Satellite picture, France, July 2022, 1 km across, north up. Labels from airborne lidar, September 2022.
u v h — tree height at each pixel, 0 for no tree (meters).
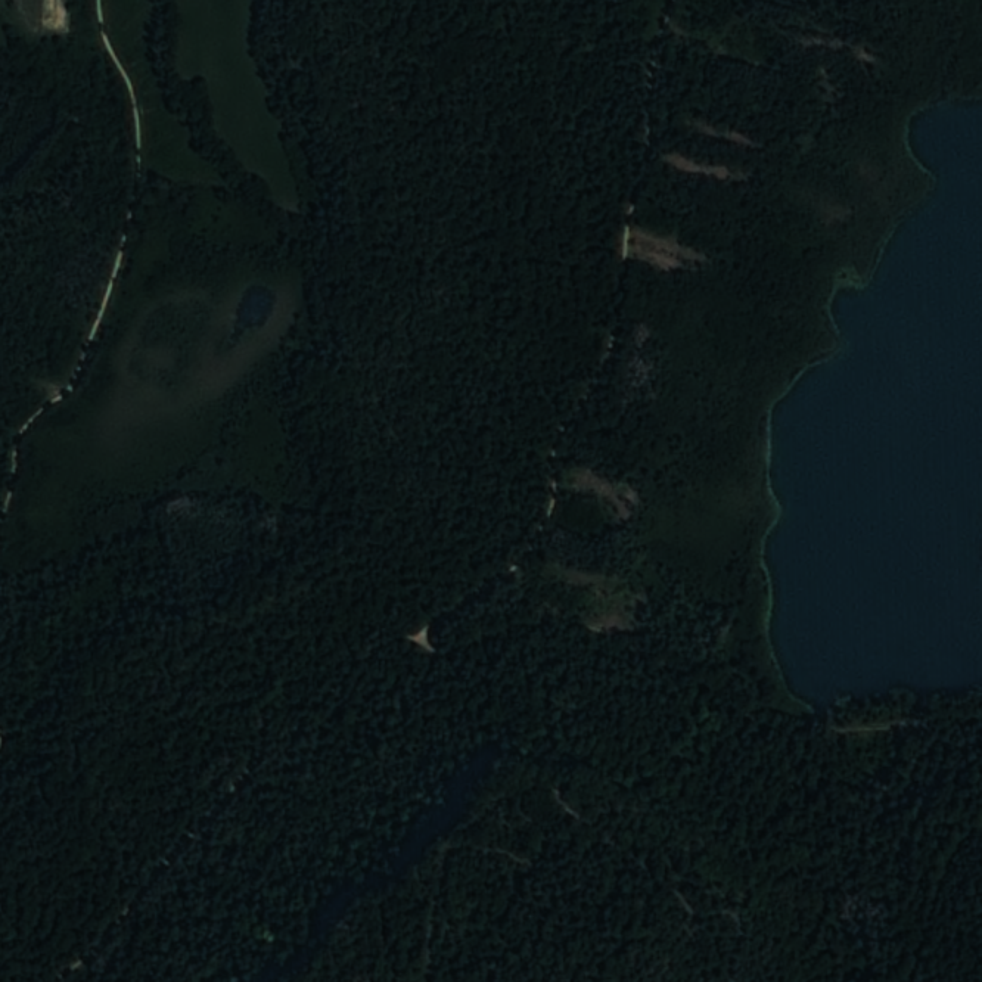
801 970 28
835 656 0
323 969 17
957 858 22
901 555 0
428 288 19
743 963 27
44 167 12
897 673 0
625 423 27
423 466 18
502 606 33
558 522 8
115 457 0
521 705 29
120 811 19
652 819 16
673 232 8
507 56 21
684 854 27
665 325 7
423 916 25
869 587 0
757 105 22
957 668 0
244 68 0
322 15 18
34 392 12
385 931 7
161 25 22
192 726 14
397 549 22
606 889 28
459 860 18
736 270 10
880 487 0
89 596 7
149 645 25
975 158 0
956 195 0
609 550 30
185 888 33
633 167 17
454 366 19
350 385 19
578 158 32
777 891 29
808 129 12
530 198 21
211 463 6
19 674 9
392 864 19
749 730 20
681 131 25
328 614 14
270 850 20
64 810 17
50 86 7
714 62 21
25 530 7
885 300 0
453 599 27
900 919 28
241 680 7
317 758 28
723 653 15
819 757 32
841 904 16
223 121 0
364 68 13
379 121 15
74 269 16
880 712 8
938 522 0
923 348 0
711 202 32
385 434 16
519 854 16
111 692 18
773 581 0
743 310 7
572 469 22
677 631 15
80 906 13
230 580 30
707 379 8
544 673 28
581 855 29
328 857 16
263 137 0
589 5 23
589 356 21
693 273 11
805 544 0
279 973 26
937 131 0
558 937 10
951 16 14
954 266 0
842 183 6
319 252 22
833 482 0
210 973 24
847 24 16
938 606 0
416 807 25
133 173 17
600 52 14
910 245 0
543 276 29
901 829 33
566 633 22
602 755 25
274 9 23
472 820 17
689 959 23
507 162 17
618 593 6
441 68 20
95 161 14
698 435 9
